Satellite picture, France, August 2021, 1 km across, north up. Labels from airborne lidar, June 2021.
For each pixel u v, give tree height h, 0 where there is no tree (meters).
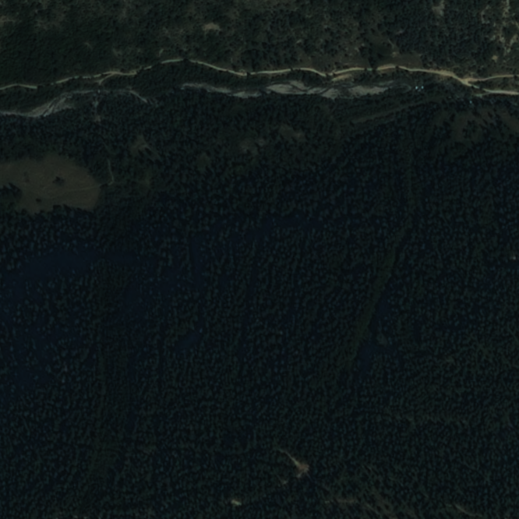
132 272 10
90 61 8
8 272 10
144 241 17
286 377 23
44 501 20
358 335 26
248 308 8
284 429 15
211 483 6
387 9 8
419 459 20
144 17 6
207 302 23
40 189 0
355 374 7
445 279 20
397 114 8
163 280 14
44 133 22
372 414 21
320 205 13
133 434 27
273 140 5
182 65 6
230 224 13
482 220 28
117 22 8
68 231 31
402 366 7
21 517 20
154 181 7
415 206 9
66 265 17
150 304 6
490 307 18
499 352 24
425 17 10
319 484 21
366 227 30
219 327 29
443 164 9
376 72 9
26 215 11
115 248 10
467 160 21
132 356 8
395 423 21
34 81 12
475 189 35
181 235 12
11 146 26
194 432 7
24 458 27
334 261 7
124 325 8
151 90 7
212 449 23
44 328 29
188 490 11
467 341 27
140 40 9
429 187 11
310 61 0
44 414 22
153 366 22
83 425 29
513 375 18
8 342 11
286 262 29
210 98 21
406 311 11
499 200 30
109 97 6
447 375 20
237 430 8
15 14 14
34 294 7
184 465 9
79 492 20
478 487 14
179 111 16
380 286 7
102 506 23
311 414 26
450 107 13
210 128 28
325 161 8
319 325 26
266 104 14
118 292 11
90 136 23
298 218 12
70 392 8
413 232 12
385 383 8
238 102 10
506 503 25
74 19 7
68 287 8
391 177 10
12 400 19
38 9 11
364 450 20
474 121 7
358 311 25
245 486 13
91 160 29
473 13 11
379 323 21
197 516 29
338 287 13
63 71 8
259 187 28
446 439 17
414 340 11
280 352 14
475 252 28
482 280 8
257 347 18
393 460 26
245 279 11
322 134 13
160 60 8
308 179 17
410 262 29
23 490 16
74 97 6
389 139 24
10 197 24
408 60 0
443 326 9
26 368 18
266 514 28
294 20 17
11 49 9
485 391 16
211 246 29
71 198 0
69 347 22
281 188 20
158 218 11
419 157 17
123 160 23
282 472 18
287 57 7
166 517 19
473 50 12
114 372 13
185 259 31
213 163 11
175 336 17
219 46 13
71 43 7
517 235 30
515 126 0
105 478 7
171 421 22
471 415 26
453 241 29
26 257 32
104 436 10
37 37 10
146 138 19
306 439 18
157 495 14
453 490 11
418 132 23
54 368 22
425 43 14
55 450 8
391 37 22
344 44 0
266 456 21
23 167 0
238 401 22
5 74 10
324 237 26
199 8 8
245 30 6
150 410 25
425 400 17
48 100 6
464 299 12
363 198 25
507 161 13
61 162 0
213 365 25
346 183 14
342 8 8
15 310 13
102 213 8
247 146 0
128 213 13
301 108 19
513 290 23
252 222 29
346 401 15
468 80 0
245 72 0
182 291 12
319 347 28
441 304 7
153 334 23
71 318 10
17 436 28
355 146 13
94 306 24
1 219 11
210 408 8
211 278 29
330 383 15
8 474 21
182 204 7
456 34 10
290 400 16
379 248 14
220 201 31
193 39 7
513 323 22
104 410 13
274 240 18
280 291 22
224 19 8
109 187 7
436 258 13
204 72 12
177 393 22
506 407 25
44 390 21
